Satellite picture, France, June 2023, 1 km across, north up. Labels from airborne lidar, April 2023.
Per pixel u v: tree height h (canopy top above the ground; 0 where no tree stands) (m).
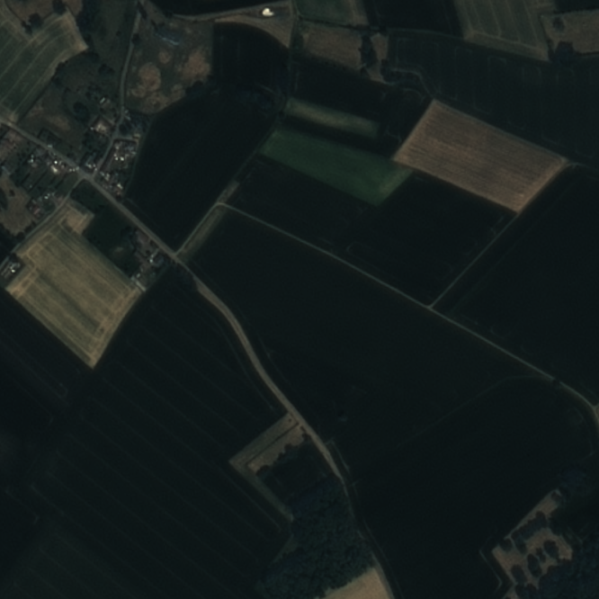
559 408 0
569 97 0
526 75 0
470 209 0
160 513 0
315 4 0
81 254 0
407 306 0
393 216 0
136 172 0
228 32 0
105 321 0
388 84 0
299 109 0
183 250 0
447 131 0
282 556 0
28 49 0
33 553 0
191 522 0
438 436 0
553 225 0
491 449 0
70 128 0
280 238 0
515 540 12
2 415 0
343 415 14
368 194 0
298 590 29
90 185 0
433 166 0
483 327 0
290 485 0
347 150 0
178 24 0
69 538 0
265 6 0
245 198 0
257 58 0
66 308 0
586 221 0
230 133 0
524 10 0
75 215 0
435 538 0
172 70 0
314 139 0
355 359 0
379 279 0
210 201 0
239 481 0
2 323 0
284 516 0
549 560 0
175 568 0
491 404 0
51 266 0
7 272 0
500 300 0
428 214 0
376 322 0
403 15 0
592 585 25
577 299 0
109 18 0
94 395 0
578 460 0
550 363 0
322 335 0
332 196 0
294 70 0
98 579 0
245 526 0
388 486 0
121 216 0
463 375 0
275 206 0
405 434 0
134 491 0
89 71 0
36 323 0
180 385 0
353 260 0
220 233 0
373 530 0
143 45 0
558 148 0
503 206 0
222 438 0
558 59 19
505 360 0
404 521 0
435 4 0
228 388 0
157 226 0
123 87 0
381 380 0
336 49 0
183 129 0
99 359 0
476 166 0
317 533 27
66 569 0
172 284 0
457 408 0
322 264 0
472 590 0
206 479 0
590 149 0
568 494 20
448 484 0
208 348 0
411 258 0
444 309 0
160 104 0
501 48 0
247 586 0
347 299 0
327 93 0
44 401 0
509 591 0
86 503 0
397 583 0
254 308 0
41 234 0
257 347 0
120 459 0
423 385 0
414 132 0
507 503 0
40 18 16
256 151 0
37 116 0
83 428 0
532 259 0
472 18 0
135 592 0
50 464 0
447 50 0
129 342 0
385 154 0
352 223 0
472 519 0
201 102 0
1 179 0
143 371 0
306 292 0
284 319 0
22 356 0
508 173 0
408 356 0
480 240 0
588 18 0
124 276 0
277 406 0
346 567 26
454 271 0
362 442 0
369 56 22
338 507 25
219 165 0
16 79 0
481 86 0
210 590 0
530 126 0
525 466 0
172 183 0
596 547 16
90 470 0
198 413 0
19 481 0
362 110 0
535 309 0
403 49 0
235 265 0
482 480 0
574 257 0
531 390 0
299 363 0
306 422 0
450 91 0
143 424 0
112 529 0
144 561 0
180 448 0
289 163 0
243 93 21
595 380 0
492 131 0
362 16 0
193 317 0
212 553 0
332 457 0
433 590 0
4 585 0
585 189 0
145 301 0
